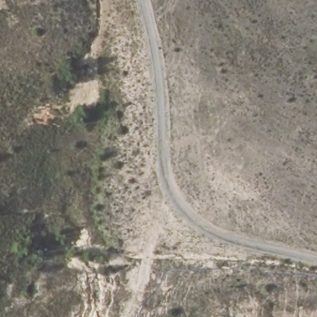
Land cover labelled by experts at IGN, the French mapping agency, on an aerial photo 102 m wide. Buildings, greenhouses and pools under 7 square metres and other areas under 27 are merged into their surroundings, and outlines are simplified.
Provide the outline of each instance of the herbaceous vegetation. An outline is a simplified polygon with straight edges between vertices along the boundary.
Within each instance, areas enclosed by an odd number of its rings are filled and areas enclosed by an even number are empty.
[[[298,298],[297,306],[305,310],[317,310],[317,266],[272,255],[246,256],[245,260],[214,260],[212,267],[187,265],[172,259],[155,259],[151,266],[150,280],[145,286],[144,300],[132,317],[230,317],[229,308],[237,310],[239,303],[250,301],[251,297],[255,297],[259,302],[256,317],[274,317],[272,310],[280,308],[280,293],[291,289],[293,285],[300,285],[303,291],[310,292],[308,298]]]
[[[197,209],[198,214],[219,228],[235,234],[245,233],[251,238],[277,241],[290,245],[293,249],[306,249],[317,253],[317,0],[151,0],[161,40],[158,50],[162,51],[165,58],[170,103],[172,171],[175,173],[177,186],[186,194],[186,201],[191,204],[192,209]],[[208,182],[209,166],[213,165],[215,158],[219,166],[224,162],[225,168],[222,173],[238,172],[237,178],[244,178],[250,185],[254,185],[255,192],[259,192],[260,197],[240,199],[234,194],[230,199],[229,213],[224,215],[222,209],[215,207],[215,191]]]
[[[115,277],[115,290],[105,292],[105,305],[110,310],[109,317],[121,317],[120,311],[125,310],[131,298],[131,291],[126,290],[129,280],[126,274],[141,264],[141,259],[135,258],[136,255],[144,253],[144,249],[125,250],[128,246],[139,245],[141,227],[147,225],[147,220],[141,222],[140,217],[145,213],[135,209],[136,204],[144,202],[150,196],[162,197],[162,194],[158,186],[157,173],[152,171],[152,175],[145,183],[139,182],[140,177],[144,175],[146,163],[140,151],[140,142],[144,141],[145,136],[147,142],[144,147],[156,147],[157,139],[152,132],[155,131],[154,114],[152,111],[146,113],[146,94],[154,92],[154,83],[147,82],[147,77],[151,76],[150,51],[147,47],[146,33],[142,33],[139,15],[142,11],[136,9],[135,0],[108,0],[109,4],[116,7],[116,12],[119,12],[121,24],[125,25],[116,28],[116,32],[125,31],[125,35],[114,40],[109,32],[104,31],[102,52],[98,58],[92,58],[89,53],[90,47],[99,31],[99,0],[0,0],[0,317],[92,317],[92,303],[99,300],[98,275],[104,275],[105,282],[109,282],[110,274],[114,272],[121,272],[121,275]],[[77,105],[74,111],[69,110],[69,93],[74,88],[66,79],[57,76],[56,66],[59,61],[71,64],[72,76],[79,83],[99,80],[98,102]],[[99,167],[97,198],[89,196],[92,170],[88,167],[88,161],[94,157],[95,149],[104,151],[104,167]],[[41,250],[42,263],[38,269],[32,266],[26,272],[22,267],[15,265],[15,254],[11,251],[14,244],[12,233],[15,233],[19,225],[31,230],[31,244],[27,250],[32,254]],[[89,250],[89,259],[92,261],[83,263],[78,258],[71,261],[66,259],[66,250],[71,248],[73,241],[77,241],[78,248]]]

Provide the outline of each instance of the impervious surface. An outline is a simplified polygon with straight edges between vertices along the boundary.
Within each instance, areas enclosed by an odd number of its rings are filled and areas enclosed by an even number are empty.
[[[157,173],[158,186],[162,194],[166,194],[166,204],[175,215],[177,223],[186,219],[189,223],[188,228],[196,230],[196,234],[203,234],[203,238],[218,239],[219,248],[229,248],[232,245],[245,248],[246,256],[272,255],[317,266],[317,253],[306,249],[293,249],[290,245],[277,241],[251,238],[245,233],[235,234],[219,228],[198,214],[197,209],[192,209],[191,204],[186,201],[186,194],[177,186],[175,173],[172,171],[170,103],[165,58],[162,51],[158,50],[161,40],[151,0],[135,0],[136,9],[142,11],[139,15],[142,33],[146,33],[147,47],[150,51],[151,76],[147,77],[147,82],[154,83],[154,92],[146,94],[146,113],[152,111],[154,114],[155,131],[152,132],[157,139],[156,147],[160,165],[160,173]]]

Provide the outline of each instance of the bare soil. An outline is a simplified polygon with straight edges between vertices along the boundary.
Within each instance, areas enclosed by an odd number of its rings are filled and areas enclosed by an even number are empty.
[[[116,7],[109,4],[108,0],[99,0],[99,31],[90,47],[89,53],[92,58],[98,58],[102,52],[104,31],[109,32],[114,40],[125,35],[125,31],[116,32],[116,28],[125,25],[121,24],[119,12],[116,12]]]
[[[69,93],[69,110],[74,111],[77,105],[98,102],[99,80],[79,83],[74,88]]]

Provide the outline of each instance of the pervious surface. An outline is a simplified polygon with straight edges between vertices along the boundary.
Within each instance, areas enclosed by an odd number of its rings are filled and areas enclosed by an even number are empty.
[[[208,182],[215,191],[215,207],[222,209],[224,215],[229,213],[230,199],[234,194],[240,199],[260,197],[259,192],[255,192],[254,185],[250,185],[244,178],[237,178],[238,172],[222,173],[225,168],[224,162],[219,166],[215,158],[213,165],[209,166]]]
[[[115,277],[121,275],[121,272],[114,272],[110,274],[109,282],[105,282],[104,275],[98,275],[99,300],[92,303],[92,317],[109,317],[110,310],[105,305],[105,292],[115,290]]]
[[[140,217],[141,222],[147,220],[147,225],[141,227],[139,245],[128,246],[125,250],[144,249],[144,253],[136,255],[135,258],[141,259],[141,264],[126,274],[129,280],[126,290],[131,291],[131,298],[125,310],[120,311],[121,317],[132,317],[144,300],[145,286],[150,280],[151,266],[155,259],[172,259],[187,265],[212,267],[214,260],[245,260],[246,256],[245,248],[232,245],[229,248],[219,248],[218,239],[203,238],[203,234],[196,234],[196,230],[188,228],[189,223],[186,219],[177,223],[175,215],[166,204],[166,194],[162,194],[162,197],[150,196],[144,202],[136,204],[135,209],[145,213]]]
[[[297,306],[298,298],[308,298],[310,292],[303,291],[300,285],[293,285],[291,289],[280,293],[280,308],[272,310],[274,317],[317,317],[317,310],[305,310]]]
[[[147,142],[145,136],[144,141],[140,142],[140,151],[146,163],[144,175],[140,177],[139,182],[145,183],[152,175],[152,171],[157,173],[160,173],[160,165],[156,147],[144,147]]]
[[[229,308],[230,317],[256,317],[259,302],[255,297],[251,297],[250,301],[239,303],[237,310]]]

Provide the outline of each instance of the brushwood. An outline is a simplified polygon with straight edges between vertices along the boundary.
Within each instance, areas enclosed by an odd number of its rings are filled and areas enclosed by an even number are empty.
[[[22,267],[26,272],[32,266],[38,269],[42,263],[41,250],[32,254],[27,250],[31,244],[31,230],[19,225],[15,233],[12,233],[14,244],[11,251],[15,254],[15,265]]]
[[[88,167],[92,170],[89,196],[97,198],[99,167],[104,167],[104,151],[95,149],[94,157],[88,161]]]
[[[78,248],[77,241],[73,241],[71,248],[66,250],[66,259],[71,261],[78,258],[83,263],[92,261],[89,259],[89,250]]]

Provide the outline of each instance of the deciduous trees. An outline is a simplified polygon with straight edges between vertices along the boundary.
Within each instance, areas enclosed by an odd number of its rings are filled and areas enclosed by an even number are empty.
[[[56,66],[57,76],[66,79],[74,88],[79,83],[72,76],[71,64],[59,61]]]

